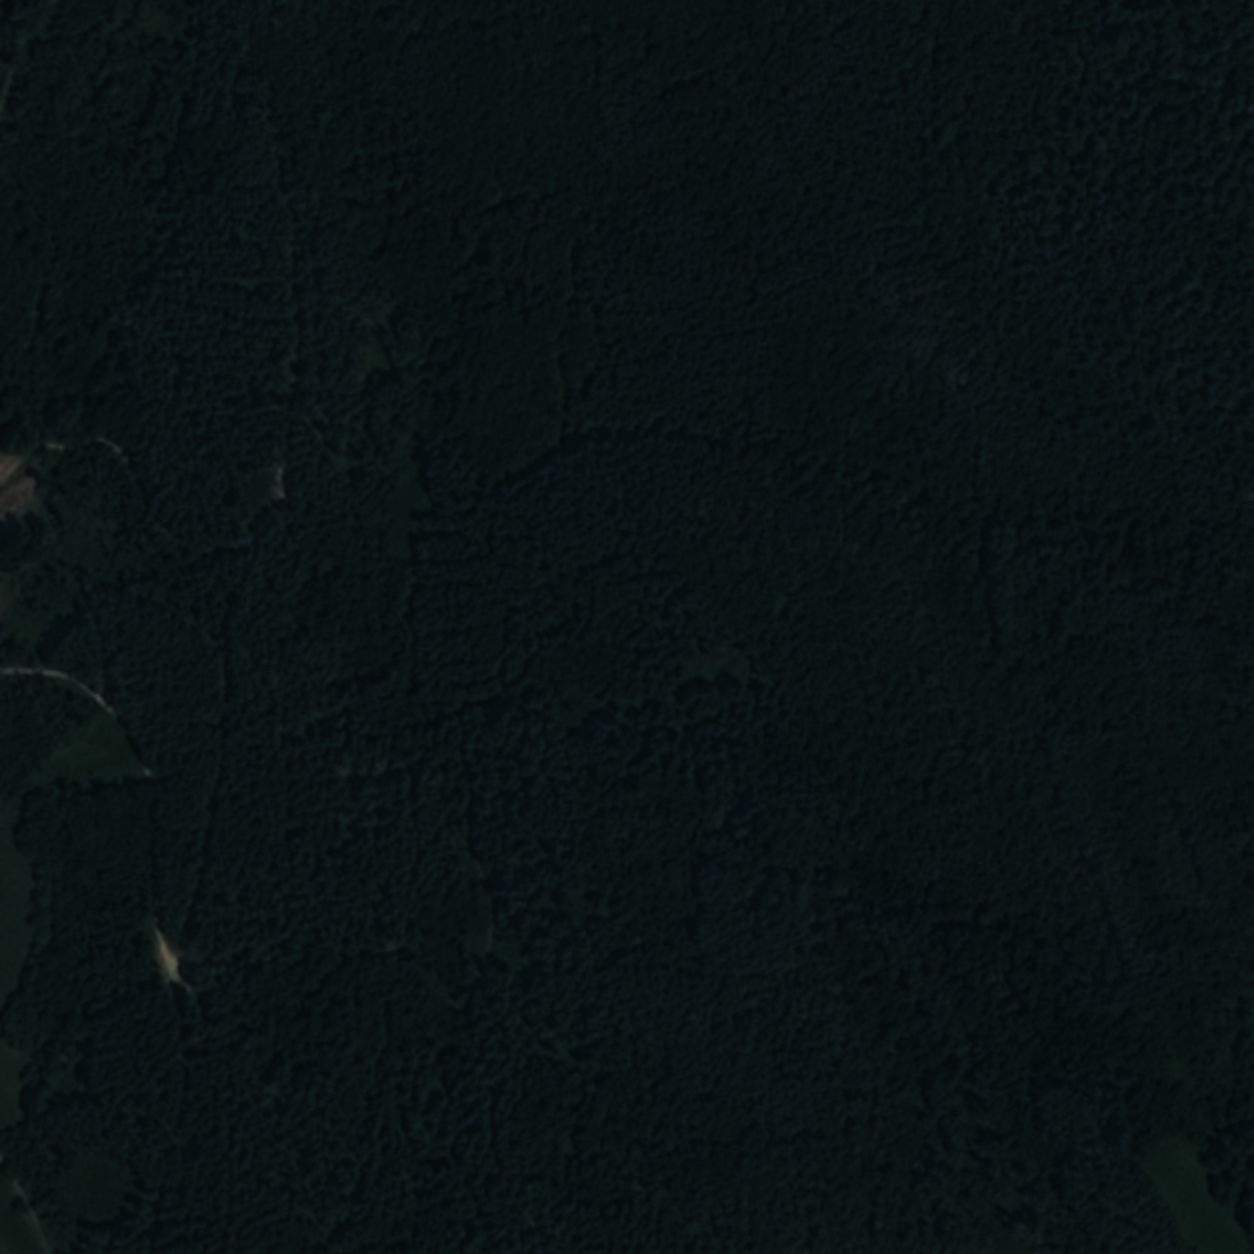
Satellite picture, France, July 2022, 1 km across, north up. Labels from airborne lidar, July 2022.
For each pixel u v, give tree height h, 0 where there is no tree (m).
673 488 32
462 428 16
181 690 30
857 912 23
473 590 18
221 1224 31
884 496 21
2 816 0
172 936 29
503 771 24
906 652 13
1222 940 18
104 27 18
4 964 0
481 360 20
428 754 29
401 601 19
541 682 22
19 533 23
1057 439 19
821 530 16
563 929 25
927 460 12
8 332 24
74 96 18
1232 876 21
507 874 26
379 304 30
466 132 13
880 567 16
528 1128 15
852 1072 14
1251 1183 10
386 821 28
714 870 33
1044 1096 34
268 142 17
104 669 30
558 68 14
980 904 7
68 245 13
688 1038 33
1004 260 18
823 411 15
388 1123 11
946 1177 30
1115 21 18
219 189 20
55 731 20
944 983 22
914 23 18
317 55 20
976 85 24
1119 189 19
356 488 35
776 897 28
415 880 30
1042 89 22
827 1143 28
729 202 12
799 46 14
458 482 24
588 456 34
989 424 20
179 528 32
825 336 19
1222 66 26
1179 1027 19
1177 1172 0
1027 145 20
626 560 16
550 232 23
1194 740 15
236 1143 34
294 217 21
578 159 16
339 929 29
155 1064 33
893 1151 8
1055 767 28
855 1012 19
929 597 17
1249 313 18
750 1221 12
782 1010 17
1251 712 24
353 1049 19
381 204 30
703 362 22
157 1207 21
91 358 7
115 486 10
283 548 26
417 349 26
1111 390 14
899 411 13
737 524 12
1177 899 12
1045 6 19
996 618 33
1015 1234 27
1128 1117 15
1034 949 23
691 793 25
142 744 30
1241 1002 14
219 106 25
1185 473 21
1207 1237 0
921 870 17
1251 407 26
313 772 30
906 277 23
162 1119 27
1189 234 14
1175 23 9
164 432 32
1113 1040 21
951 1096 37
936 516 17
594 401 20
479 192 20
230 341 30
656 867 14
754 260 14
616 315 19
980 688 17
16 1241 0
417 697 22
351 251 24
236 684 30
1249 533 20
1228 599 19
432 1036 14
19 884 0
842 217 23
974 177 21
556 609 11
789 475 20
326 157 19
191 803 33
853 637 17
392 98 19
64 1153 31
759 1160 27
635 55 14
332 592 15
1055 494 10
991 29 22
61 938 14
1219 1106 7
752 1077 30
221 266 29
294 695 29
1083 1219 27
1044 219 26
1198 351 21
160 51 26
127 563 0
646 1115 20
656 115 17
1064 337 13
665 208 20
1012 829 18
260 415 28
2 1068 0
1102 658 18
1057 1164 24
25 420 31
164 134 16
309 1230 33
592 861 20
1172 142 21
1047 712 18
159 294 26
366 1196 27
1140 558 32
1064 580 21
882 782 17
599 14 14
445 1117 19
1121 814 17
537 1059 21
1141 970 34
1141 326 17
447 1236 20
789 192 21
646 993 32
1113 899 33
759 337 20
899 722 19
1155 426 32
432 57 18
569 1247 23
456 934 17
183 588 13
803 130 19
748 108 18
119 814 20
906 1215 14
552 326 19
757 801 25
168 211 25
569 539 28
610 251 16
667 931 14
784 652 20
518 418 21
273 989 16
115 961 17
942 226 21
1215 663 21
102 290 24
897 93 21
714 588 18
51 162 18
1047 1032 18
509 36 14
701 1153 24
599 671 16
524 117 13
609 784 22
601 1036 25
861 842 32
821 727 17
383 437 30
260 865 32
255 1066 10
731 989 32
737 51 10
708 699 27
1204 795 8
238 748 36
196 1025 30
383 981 18
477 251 7
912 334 21
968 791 15
